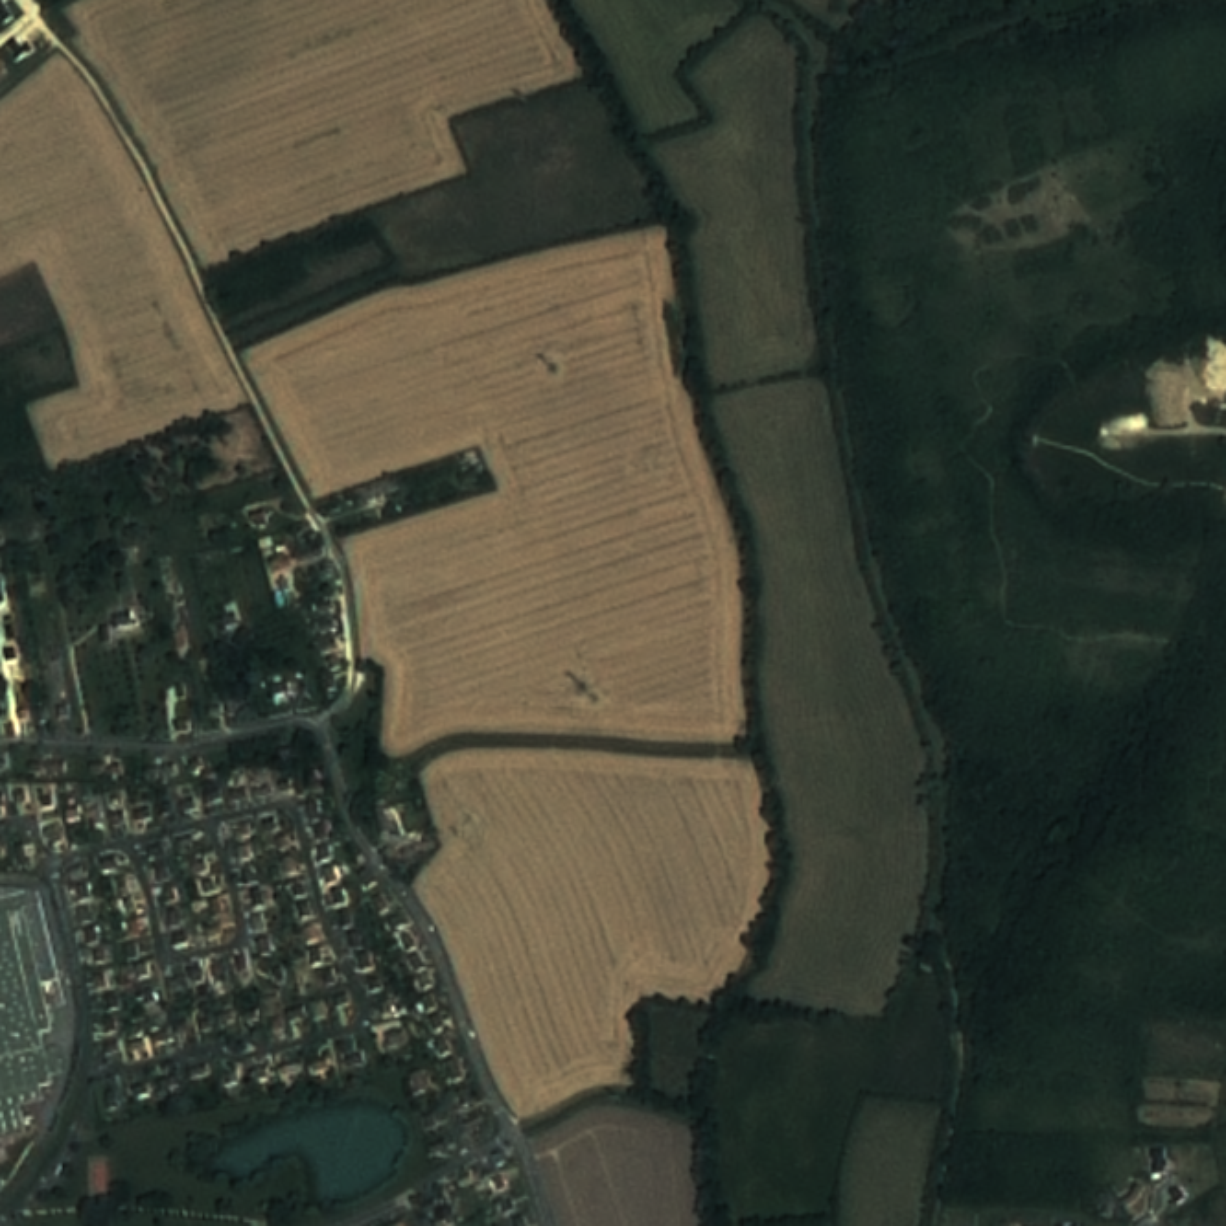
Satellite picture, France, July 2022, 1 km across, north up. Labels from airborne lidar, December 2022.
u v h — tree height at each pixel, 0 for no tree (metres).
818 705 0
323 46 0
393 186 0
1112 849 7
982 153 0
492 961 0
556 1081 0
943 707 9
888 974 0
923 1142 0
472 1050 0
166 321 0
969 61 6
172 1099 11
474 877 0
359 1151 0
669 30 0
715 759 0
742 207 0
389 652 0
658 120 0
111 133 0
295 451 0
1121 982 0
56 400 0
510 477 0
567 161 0
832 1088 0
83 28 0
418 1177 0
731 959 0
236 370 0
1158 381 0
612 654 0
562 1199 0
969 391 0
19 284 0
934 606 7
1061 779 6
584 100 0
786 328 0
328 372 0
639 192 0
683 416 0
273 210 0
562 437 0
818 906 0
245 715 12
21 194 0
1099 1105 0
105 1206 21
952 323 0
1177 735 9
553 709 0
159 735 9
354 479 0
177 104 0
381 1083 0
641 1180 0
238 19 0
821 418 0
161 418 0
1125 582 0
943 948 14
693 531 0
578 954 0
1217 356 0
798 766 0
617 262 0
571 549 0
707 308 0
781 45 0
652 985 0
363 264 0
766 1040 0
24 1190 0
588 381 0
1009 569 0
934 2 21
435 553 0
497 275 0
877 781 0
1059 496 0
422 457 0
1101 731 8
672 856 0
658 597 0
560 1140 0
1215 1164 0
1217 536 6
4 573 7
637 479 0
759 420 0
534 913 0
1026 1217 0
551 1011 0
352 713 0
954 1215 0
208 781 6
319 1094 12
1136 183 0
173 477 12
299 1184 0
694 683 0
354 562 0
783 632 0
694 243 0
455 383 0
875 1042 0
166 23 0
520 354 0
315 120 0
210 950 0
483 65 0
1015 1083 10
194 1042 6
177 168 0
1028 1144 6
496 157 0
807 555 0
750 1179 0
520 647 0
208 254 0
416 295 0
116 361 0
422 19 0
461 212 0
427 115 0
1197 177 6
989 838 7
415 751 0
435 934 0
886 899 0
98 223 0
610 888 0
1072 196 0
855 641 0
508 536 0
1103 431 0
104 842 0
